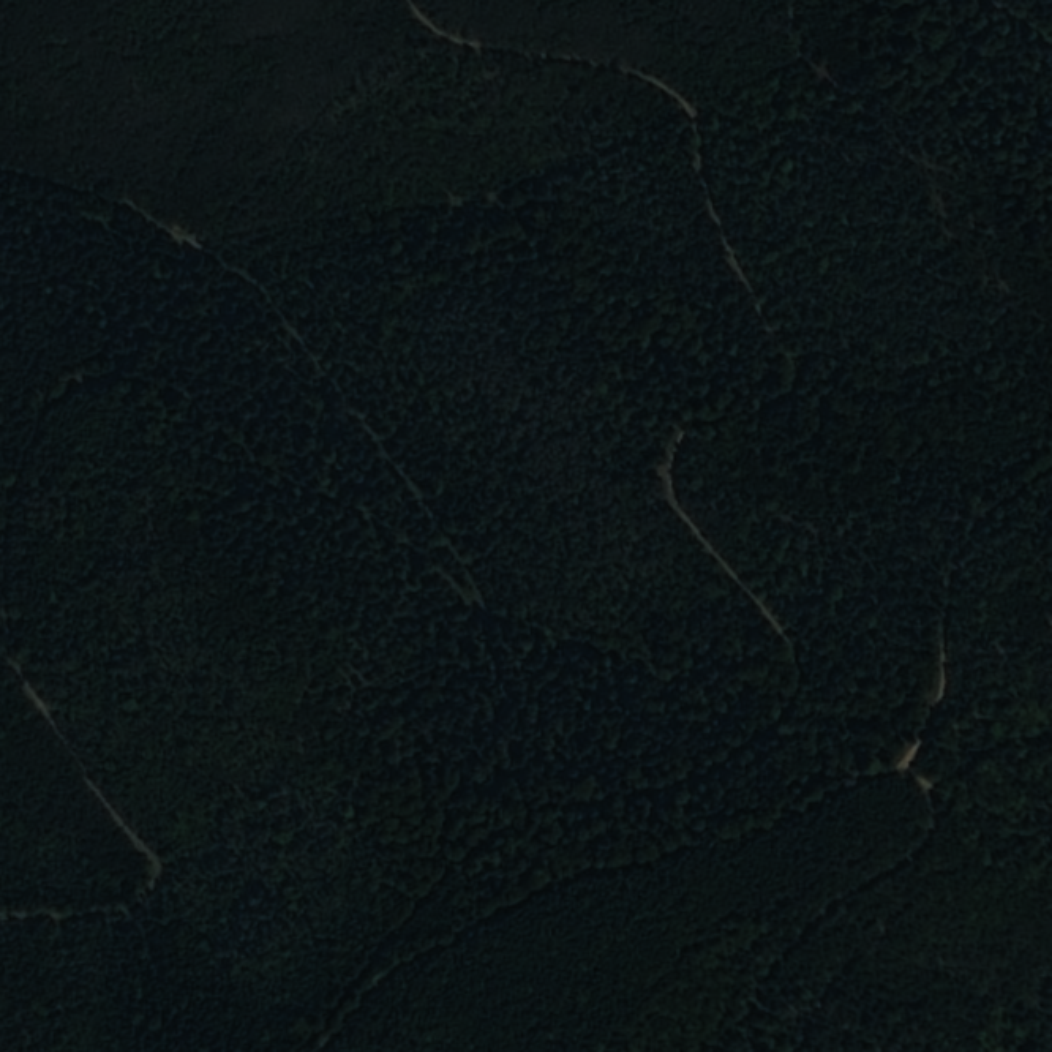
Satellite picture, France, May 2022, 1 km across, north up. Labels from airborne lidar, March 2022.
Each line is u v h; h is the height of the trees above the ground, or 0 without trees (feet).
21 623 74
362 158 46
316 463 119
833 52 49
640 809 89
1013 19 75
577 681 94
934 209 34
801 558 46
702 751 92
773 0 41
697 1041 68
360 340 76
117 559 86
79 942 36
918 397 52
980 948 40
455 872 69
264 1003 36
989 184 28
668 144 79
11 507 68
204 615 33
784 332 69
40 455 67
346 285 59
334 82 51
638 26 50
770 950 94
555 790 47
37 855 36
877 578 66
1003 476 85
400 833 70
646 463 46
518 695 128
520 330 92
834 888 45
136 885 61
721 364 117
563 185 78
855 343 47
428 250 82
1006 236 51
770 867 48
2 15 35
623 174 87
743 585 41
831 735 84
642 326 118
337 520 105
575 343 82
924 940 47
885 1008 93
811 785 96
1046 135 114
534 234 118
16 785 56
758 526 45
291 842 31
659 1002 50
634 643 88
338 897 92
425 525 125
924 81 108
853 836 46
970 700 32
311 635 31
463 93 29
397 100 29
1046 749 75
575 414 78
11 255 118
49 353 92
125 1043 72
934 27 117
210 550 48
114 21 35
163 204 66
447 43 50
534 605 93
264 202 54
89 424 35
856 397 86
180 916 31
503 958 51
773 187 83
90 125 43
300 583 107
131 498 29
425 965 51
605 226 71
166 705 72
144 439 52
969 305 43
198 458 115
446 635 150
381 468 104
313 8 55
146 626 80
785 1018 131
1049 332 34
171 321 115
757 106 55
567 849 101
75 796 59
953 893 54
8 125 38
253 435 104
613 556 69
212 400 126
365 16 44
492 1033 53
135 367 90
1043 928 69
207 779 30
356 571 100
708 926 46
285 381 111
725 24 48
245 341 103
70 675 67
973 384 35
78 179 42
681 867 54
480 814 88
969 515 84
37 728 59
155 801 19
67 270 108
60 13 39
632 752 110
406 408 65
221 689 26
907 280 61
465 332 89
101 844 62
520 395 37
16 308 104
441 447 88
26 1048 47
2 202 86
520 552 97
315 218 40
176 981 69
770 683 70
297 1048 76
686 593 35
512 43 45
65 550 33
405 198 40
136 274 118
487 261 102
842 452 38
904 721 73
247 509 108
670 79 33
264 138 55
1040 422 37
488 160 52
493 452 76
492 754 119
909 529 37
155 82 35
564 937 51
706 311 86
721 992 53
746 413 64
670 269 85
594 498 77
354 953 49
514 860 94
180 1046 103
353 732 46
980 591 22
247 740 20
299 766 31
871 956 48
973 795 96
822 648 98
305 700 21
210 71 50
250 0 55
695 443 36
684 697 88
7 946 49
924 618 92
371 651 100
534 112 22
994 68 107
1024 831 86
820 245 57
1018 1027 59
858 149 93
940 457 52
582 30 46
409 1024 32
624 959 58
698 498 62
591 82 37
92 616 55
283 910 83
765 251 75
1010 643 70
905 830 45
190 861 54
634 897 56
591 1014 36
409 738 33
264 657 26
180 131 46
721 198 26
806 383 71
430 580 140
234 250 45
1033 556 36
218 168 62
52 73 26
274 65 42
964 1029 74
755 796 62
